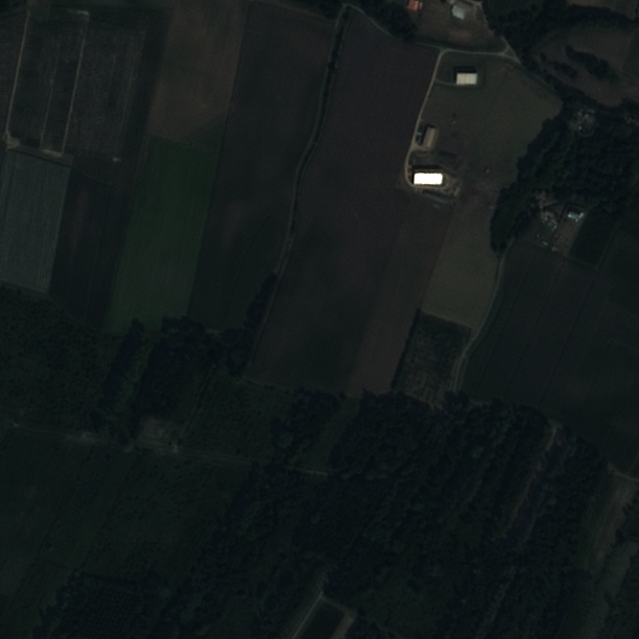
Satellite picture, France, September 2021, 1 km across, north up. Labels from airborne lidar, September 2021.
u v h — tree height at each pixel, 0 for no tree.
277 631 6
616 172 17
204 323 0
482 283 0
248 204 0
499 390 0
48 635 12
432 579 21
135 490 0
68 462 0
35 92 0
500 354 0
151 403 27
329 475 0
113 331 0
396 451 25
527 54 18
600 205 26
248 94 0
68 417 0
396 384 7
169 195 0
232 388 0
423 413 23
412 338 7
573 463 23
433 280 0
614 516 0
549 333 0
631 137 21
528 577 17
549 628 17
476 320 0
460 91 0
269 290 18
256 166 0
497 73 0
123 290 0
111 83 0
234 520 24
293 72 0
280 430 22
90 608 13
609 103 0
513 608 14
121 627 19
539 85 0
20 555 0
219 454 0
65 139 0
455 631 20
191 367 16
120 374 26
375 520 23
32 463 0
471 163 0
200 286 0
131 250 0
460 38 0
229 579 18
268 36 0
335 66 10
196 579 11
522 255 0
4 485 0
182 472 0
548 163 29
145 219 0
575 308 0
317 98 0
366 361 0
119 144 0
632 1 0
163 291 0
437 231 0
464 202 0
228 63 0
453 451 11
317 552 23
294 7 0
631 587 0
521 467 18
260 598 12
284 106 0
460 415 21
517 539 22
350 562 19
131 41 0
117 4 0
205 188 0
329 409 21
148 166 0
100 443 0
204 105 0
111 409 28
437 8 0
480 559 18
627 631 0
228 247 0
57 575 0
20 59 0
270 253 0
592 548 0
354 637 18
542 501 13
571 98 21
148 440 0
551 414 0
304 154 0
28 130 0
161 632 21
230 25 0
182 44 0
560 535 23
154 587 28
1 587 0
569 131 26
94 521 0
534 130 0
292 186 0
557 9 21
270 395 0
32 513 0
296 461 15
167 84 0
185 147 0
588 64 20
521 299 0
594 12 13
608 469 22
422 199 0
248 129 0
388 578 19
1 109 0
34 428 0
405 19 24
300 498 18
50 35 0
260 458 0
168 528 0
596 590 6
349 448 19
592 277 0
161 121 0
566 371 0
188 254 0
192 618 18
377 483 18
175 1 0
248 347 16
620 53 0
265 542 21
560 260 0
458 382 0
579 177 18
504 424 26
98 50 0
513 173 0
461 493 31
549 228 0
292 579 16
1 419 0
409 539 21
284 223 0
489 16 13
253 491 20
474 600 17
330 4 15
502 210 10
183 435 0
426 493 15
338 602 15
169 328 21
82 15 0
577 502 23
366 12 20
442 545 6
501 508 18
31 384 0
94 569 0
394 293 0
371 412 22
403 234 0
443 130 0
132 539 0
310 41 0
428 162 0
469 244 0
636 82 0
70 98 0
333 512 22
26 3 8
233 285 0
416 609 0
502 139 0
